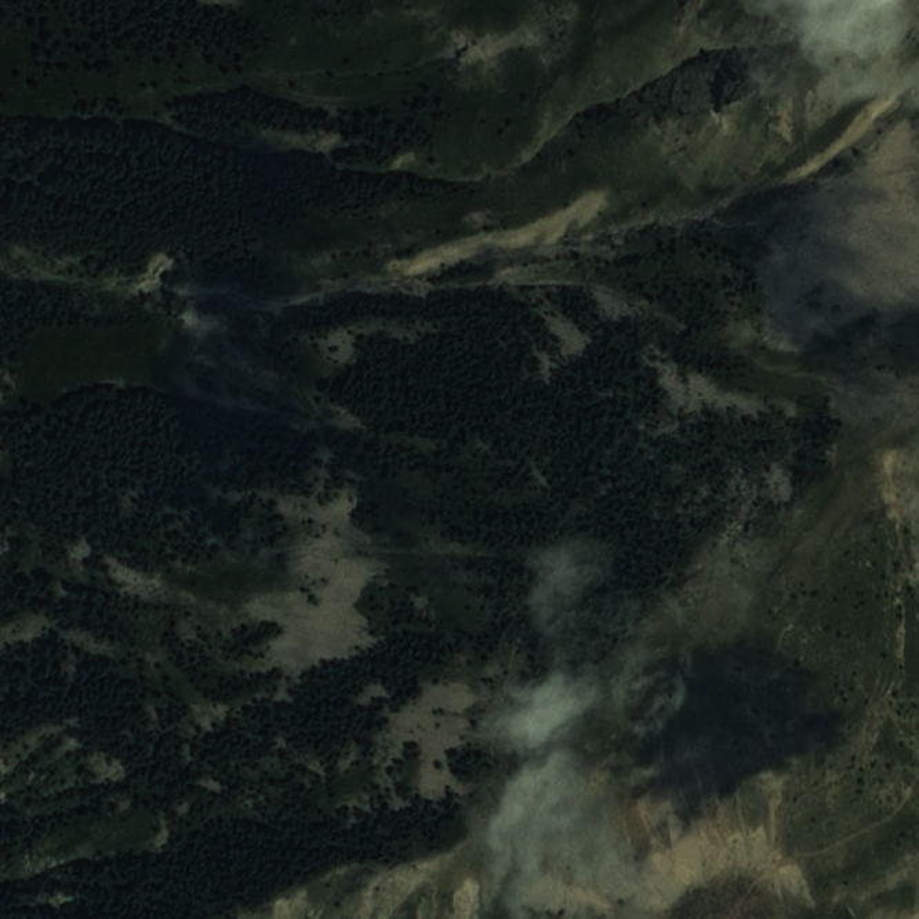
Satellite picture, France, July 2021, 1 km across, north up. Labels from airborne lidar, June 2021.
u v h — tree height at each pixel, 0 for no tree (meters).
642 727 0
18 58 0
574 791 0
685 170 0
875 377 0
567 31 0
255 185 24
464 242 0
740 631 0
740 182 0
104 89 0
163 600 0
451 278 9
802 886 0
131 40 16
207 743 14
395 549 0
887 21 0
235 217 18
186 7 22
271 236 0
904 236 0
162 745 11
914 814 0
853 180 0
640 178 0
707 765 0
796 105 0
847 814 0
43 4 14
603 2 0
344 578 0
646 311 0
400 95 0
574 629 6
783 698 0
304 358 0
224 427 16
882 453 0
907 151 0
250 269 14
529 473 6
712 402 0
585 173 0
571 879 0
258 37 6
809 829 0
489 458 9
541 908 0
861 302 0
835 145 0
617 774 0
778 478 0
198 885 15
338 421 0
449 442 7
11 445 13
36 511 14
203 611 0
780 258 0
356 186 17
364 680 11
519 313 15
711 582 0
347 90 0
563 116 0
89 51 14
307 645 0
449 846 0
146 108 0
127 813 0
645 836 0
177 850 13
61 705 12
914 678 0
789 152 0
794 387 0
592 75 0
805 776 0
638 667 0
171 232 19
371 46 0
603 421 11
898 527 0
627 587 9
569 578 11
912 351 0
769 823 0
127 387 0
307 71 0
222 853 19
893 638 0
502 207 0
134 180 25
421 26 0
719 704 0
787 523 0
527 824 0
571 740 0
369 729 13
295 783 12
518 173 0
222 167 20
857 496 0
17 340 13
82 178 31
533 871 0
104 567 13
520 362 12
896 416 0
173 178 18
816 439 10
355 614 0
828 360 0
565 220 0
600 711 0
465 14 0
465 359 9
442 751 0
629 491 10
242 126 9
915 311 0
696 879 0
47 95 0
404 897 0
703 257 7
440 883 0
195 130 21
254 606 0
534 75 0
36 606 14
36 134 30
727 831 0
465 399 12
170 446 12
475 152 0
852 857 0
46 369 0
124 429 16
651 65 0
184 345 0
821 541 0
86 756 11
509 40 0
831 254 0
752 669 0
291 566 0
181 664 12
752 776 0
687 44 0
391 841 9
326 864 14
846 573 0
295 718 17
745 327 0
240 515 14
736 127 0
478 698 0
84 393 16
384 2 0
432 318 13
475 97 0
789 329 0
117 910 13
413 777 0
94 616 14
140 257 12
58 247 12
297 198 17
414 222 0
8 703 19
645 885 0
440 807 10
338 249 0
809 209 0
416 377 16
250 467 8
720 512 7
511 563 6
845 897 0
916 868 0
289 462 9
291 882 13
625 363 12
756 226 0
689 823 0
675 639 0
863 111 0
